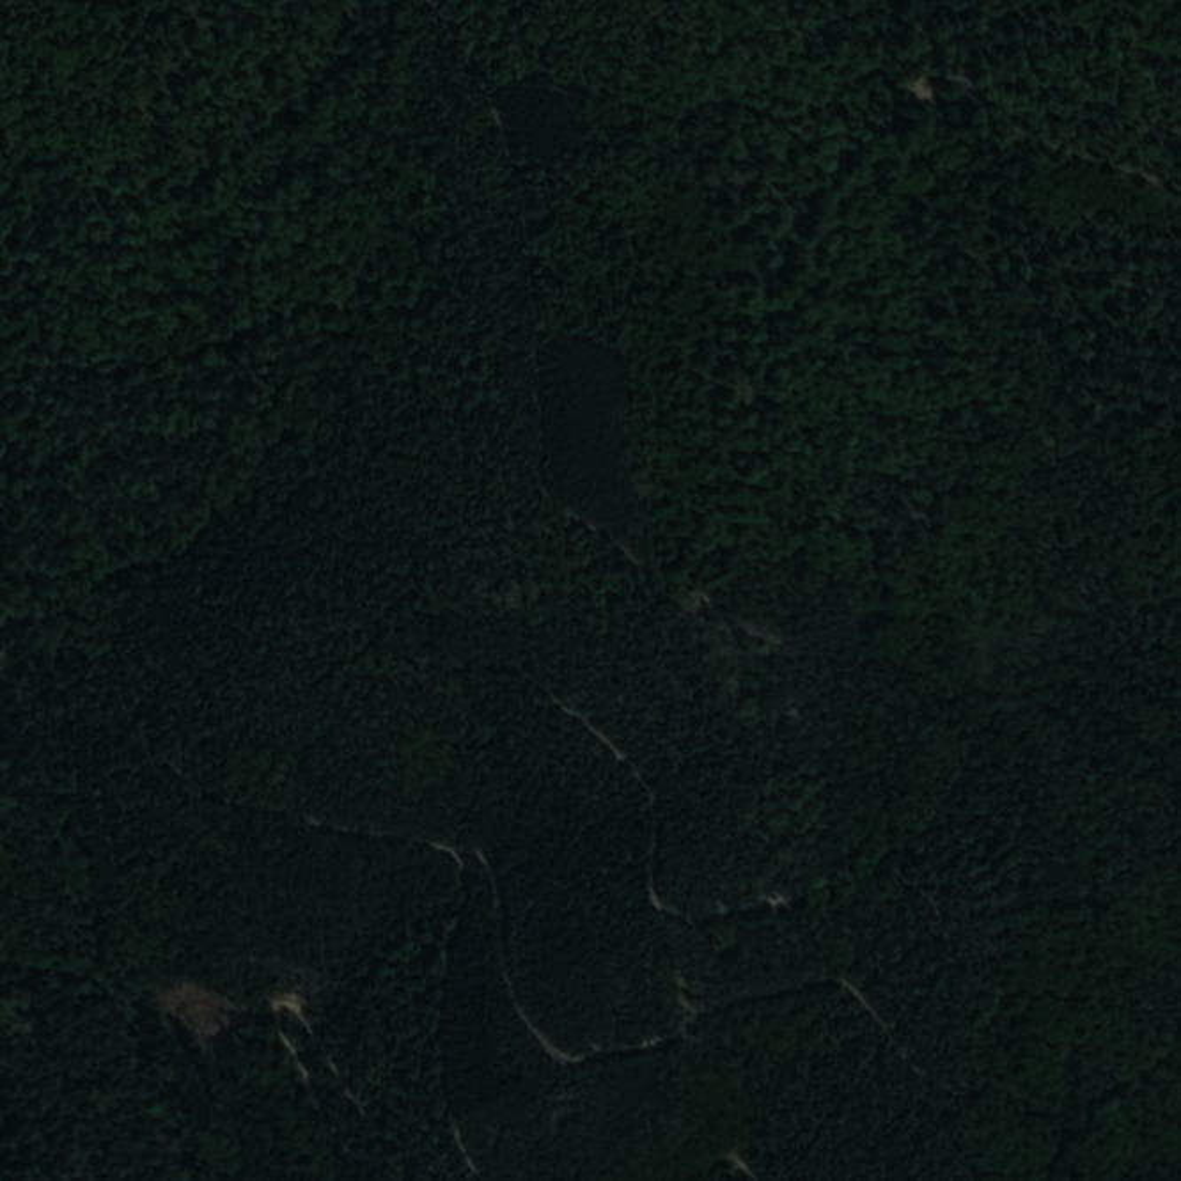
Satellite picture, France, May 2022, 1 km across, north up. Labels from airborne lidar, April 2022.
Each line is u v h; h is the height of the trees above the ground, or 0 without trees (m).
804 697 18
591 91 8
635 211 21
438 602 21
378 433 18
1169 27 7
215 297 32
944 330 34
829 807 20
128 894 17
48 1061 36
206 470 34
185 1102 32
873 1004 20
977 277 34
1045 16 18
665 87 27
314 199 24
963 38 35
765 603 21
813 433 31
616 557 19
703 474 19
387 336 18
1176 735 27
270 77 35
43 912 28
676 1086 16
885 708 32
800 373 35
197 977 26
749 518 31
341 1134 30
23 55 24
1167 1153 31
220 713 22
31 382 31
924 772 26
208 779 21
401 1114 26
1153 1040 25
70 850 26
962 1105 17
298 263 32
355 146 37
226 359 37
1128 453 34
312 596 26
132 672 23
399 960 26
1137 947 26
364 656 24
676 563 20
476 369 26
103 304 32
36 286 35
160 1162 34
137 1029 8
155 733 25
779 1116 24
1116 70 28
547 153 14
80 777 27
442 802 21
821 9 35
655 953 19
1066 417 36
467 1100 22
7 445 38
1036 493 30
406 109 12
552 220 24
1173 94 29
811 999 21
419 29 25
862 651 23
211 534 20
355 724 22
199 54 34
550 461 15
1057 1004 22
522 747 21
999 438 29
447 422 21
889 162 39
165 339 19
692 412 29
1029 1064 25
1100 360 38
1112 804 35
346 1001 13
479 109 21
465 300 26
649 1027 18
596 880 21
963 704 28
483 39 23
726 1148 18
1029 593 30
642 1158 19
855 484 31
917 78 17
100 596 23
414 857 22
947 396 32
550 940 17
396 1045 9
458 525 21
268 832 21
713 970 20
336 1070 27
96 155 30
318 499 19
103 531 34
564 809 15
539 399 8
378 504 21
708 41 31
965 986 16
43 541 31
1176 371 30
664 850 17
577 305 22
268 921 22
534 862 21
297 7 30
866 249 37
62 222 28
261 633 25
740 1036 24
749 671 12
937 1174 18
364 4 26
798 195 16
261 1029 29
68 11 24
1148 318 35
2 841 30
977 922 16
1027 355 33
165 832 20
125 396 31
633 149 23
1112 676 31
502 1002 15
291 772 21
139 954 29
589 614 19
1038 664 29
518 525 20
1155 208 9
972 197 40
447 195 23
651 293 25
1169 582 27
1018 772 29
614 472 11
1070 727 32
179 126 30
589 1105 19
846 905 26
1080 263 35
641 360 14
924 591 27
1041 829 25
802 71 34
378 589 25
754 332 33
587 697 22
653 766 18
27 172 32
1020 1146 24
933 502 27
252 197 33
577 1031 14
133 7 21
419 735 19
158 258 36
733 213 37
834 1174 22
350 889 22
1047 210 14
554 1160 21
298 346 31
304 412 22
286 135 33
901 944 21
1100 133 29
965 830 26
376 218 33
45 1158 33
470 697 26
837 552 34
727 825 19
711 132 28
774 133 37
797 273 35
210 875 20
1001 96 33
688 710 18
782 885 23
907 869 18
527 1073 16
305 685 22
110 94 28
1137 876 27
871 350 15
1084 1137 27
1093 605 24
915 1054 19
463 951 22
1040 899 12
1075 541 29
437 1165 26
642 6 23
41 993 31
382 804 20
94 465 35
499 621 23
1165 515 31
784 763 19
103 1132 34
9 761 35
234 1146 33
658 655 10
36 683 37
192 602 23
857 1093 24
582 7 27
